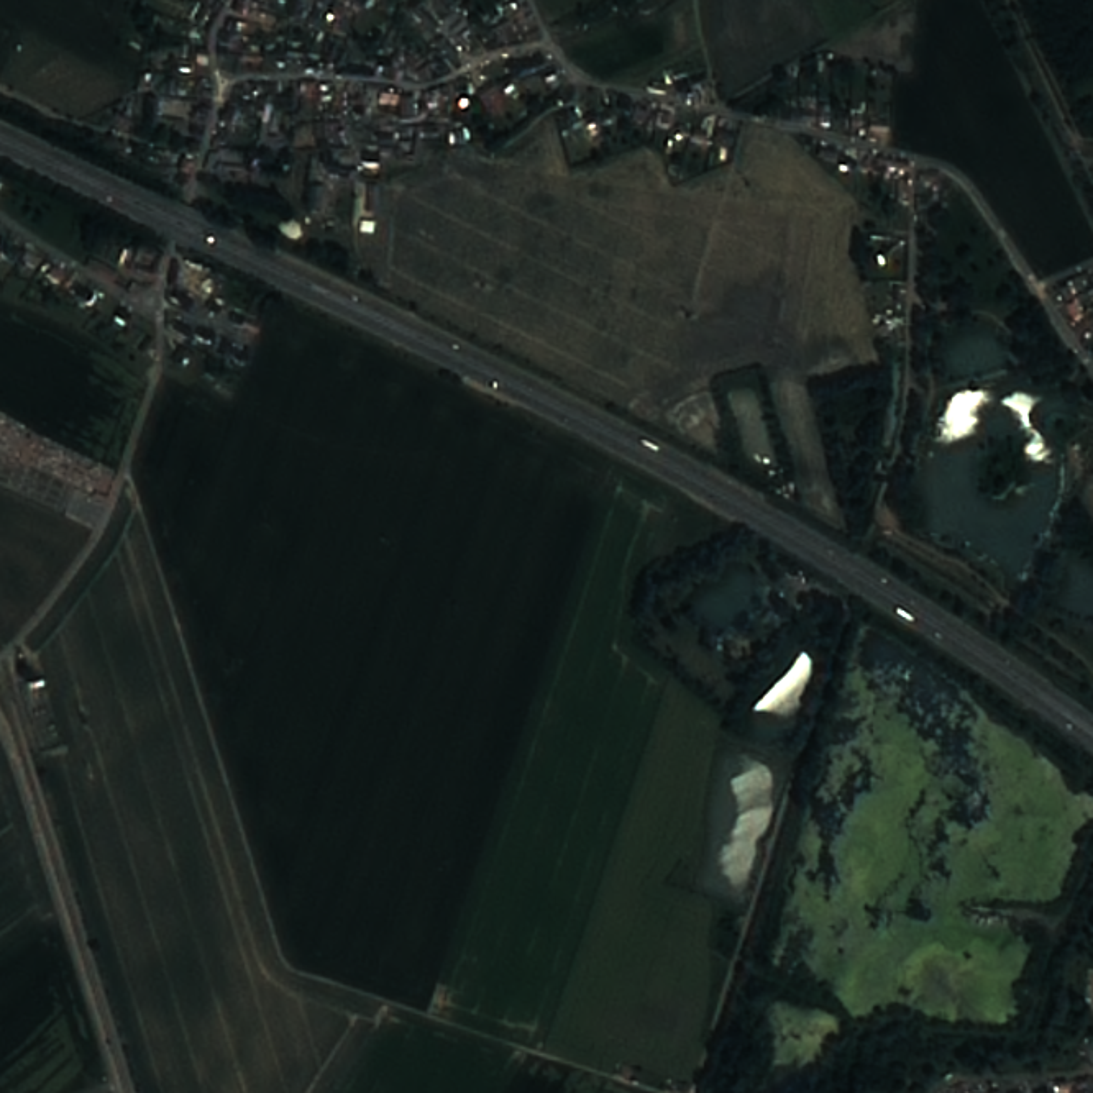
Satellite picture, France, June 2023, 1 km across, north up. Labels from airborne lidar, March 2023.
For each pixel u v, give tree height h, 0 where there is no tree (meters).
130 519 0
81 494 0
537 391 0
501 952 0
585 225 0
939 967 0
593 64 0
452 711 0
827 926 0
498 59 0
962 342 0
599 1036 0
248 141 0
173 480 0
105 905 0
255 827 0
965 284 18
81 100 0
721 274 0
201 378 0
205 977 0
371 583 0
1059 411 0
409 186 0
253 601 0
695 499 0
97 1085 0
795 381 0
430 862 0
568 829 0
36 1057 0
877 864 0
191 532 0
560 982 0
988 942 0
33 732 0
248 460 0
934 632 0
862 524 7
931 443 0
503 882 0
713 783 0
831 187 0
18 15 0
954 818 0
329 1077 0
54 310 0
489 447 0
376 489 0
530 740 0
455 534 0
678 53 0
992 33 0
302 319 0
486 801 0
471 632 0
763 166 0
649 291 0
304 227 0
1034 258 0
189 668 0
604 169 0
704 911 0
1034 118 0
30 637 0
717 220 0
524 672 0
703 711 0
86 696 0
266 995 0
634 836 0
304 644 0
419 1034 0
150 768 0
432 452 0
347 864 0
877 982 0
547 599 0
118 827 0
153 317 0
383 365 0
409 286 0
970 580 0
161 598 0
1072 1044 0
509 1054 0
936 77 0
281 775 0
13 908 0
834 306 0
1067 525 16
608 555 0
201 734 0
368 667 0
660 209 0
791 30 0
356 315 0
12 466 0
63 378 0
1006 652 0
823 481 0
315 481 0
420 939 0
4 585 0
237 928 0
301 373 0
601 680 0
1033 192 0
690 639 0
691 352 0
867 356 0
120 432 0
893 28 0
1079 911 6
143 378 0
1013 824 0
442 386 0
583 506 0
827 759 0
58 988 0
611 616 0
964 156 0
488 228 0
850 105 6
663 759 0
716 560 18
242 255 0
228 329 0
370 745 0
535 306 0
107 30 0
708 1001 0
